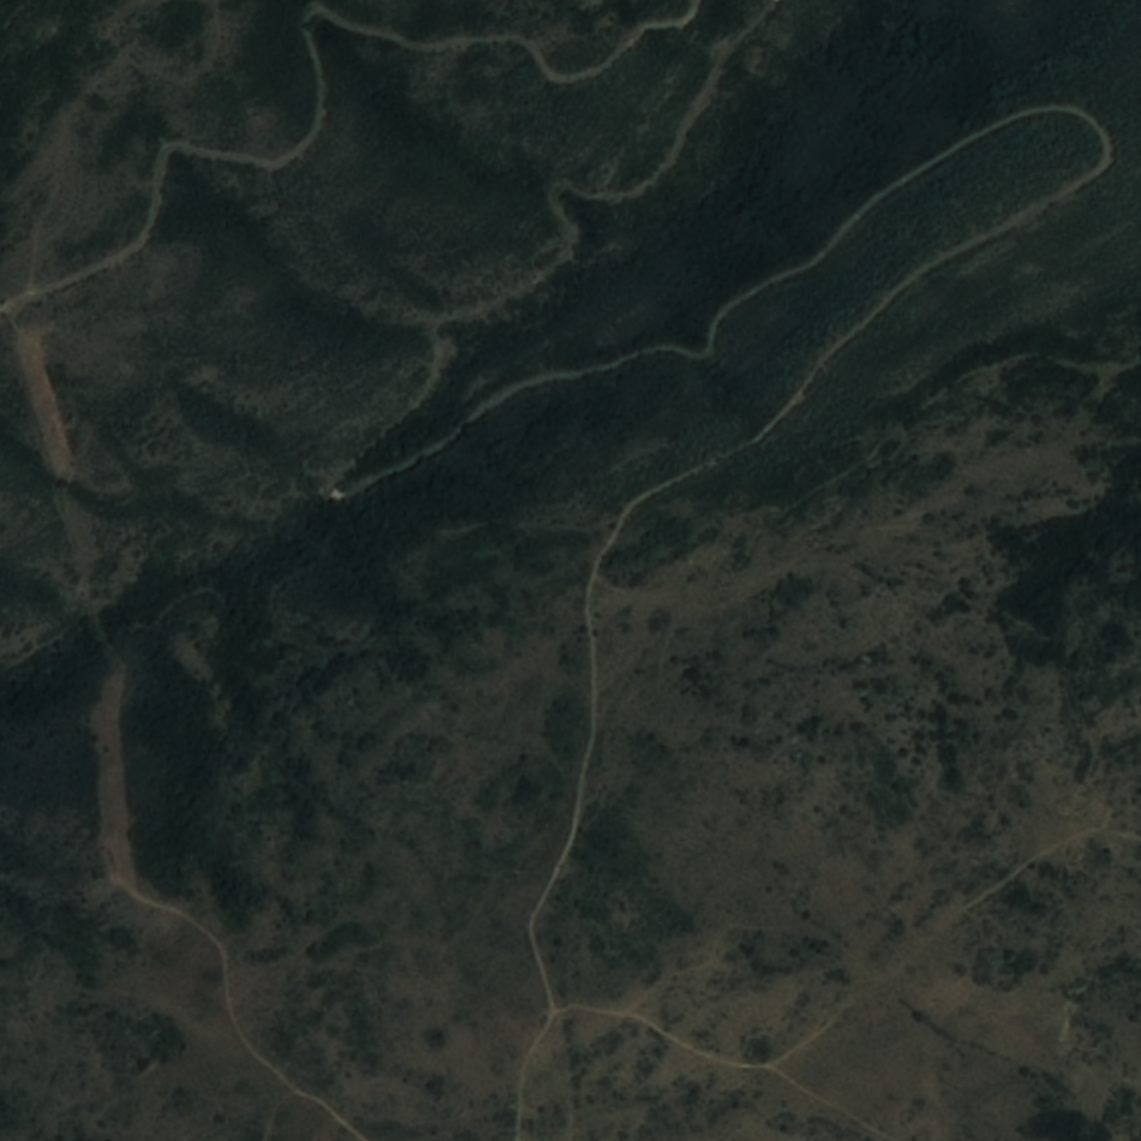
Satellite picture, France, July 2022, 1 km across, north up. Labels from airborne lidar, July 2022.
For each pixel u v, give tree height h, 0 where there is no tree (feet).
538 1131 0
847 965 0
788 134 18
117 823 0
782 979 0
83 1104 0
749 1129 0
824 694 0
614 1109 0
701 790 0
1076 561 23
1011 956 21
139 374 0
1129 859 0
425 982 0
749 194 20
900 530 0
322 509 30
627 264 32
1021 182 21
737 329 0
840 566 0
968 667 0
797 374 19
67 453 0
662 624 0
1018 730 0
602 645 0
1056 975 0
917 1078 0
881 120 18
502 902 0
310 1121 0
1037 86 29
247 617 36
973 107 35
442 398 33
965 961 0
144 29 18
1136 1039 0
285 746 20
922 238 21
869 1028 0
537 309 22
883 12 19
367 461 40
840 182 31
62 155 0
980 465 0
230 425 23
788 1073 0
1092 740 0
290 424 0
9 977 0
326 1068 0
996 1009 0
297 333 24
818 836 0
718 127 25
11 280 0
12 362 0
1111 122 25
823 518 0
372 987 0
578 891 0
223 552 26
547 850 0
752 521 0
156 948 0
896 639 0
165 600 25
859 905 0
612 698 0
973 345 22
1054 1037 0
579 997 0
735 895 0
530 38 19
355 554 33
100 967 0
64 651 43
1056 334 18
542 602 0
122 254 0
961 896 0
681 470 20
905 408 20
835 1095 0
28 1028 0
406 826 0
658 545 31
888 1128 0
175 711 24
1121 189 25
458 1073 0
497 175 24
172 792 26
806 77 27
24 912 23
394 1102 0
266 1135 0
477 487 23
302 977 0
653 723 0
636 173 21
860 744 0
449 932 0
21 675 20
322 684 24
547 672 0
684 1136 0
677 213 25
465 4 19
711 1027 0
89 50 20
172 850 26
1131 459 19
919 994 0
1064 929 0
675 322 28
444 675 0
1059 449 0
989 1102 0
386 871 0
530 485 19
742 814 0
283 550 27
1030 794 0
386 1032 0
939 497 0
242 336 0
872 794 0
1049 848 0
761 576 0
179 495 22
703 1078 0
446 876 0
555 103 19
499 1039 0
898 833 0
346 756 18
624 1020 0
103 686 0
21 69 22
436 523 22
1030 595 27
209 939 0
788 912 0
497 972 0
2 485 0
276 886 0
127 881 0
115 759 0
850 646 0
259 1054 0
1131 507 19
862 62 29
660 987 0
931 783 0
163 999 0
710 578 0
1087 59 24
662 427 0
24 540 0
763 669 0
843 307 19
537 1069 0
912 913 0
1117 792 0
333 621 0
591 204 24
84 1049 0
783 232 38
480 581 0
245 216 19
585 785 0
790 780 0
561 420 22
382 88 35
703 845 0
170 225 25
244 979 0
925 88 24
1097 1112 0
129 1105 0
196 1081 0
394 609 21
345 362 25
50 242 0
